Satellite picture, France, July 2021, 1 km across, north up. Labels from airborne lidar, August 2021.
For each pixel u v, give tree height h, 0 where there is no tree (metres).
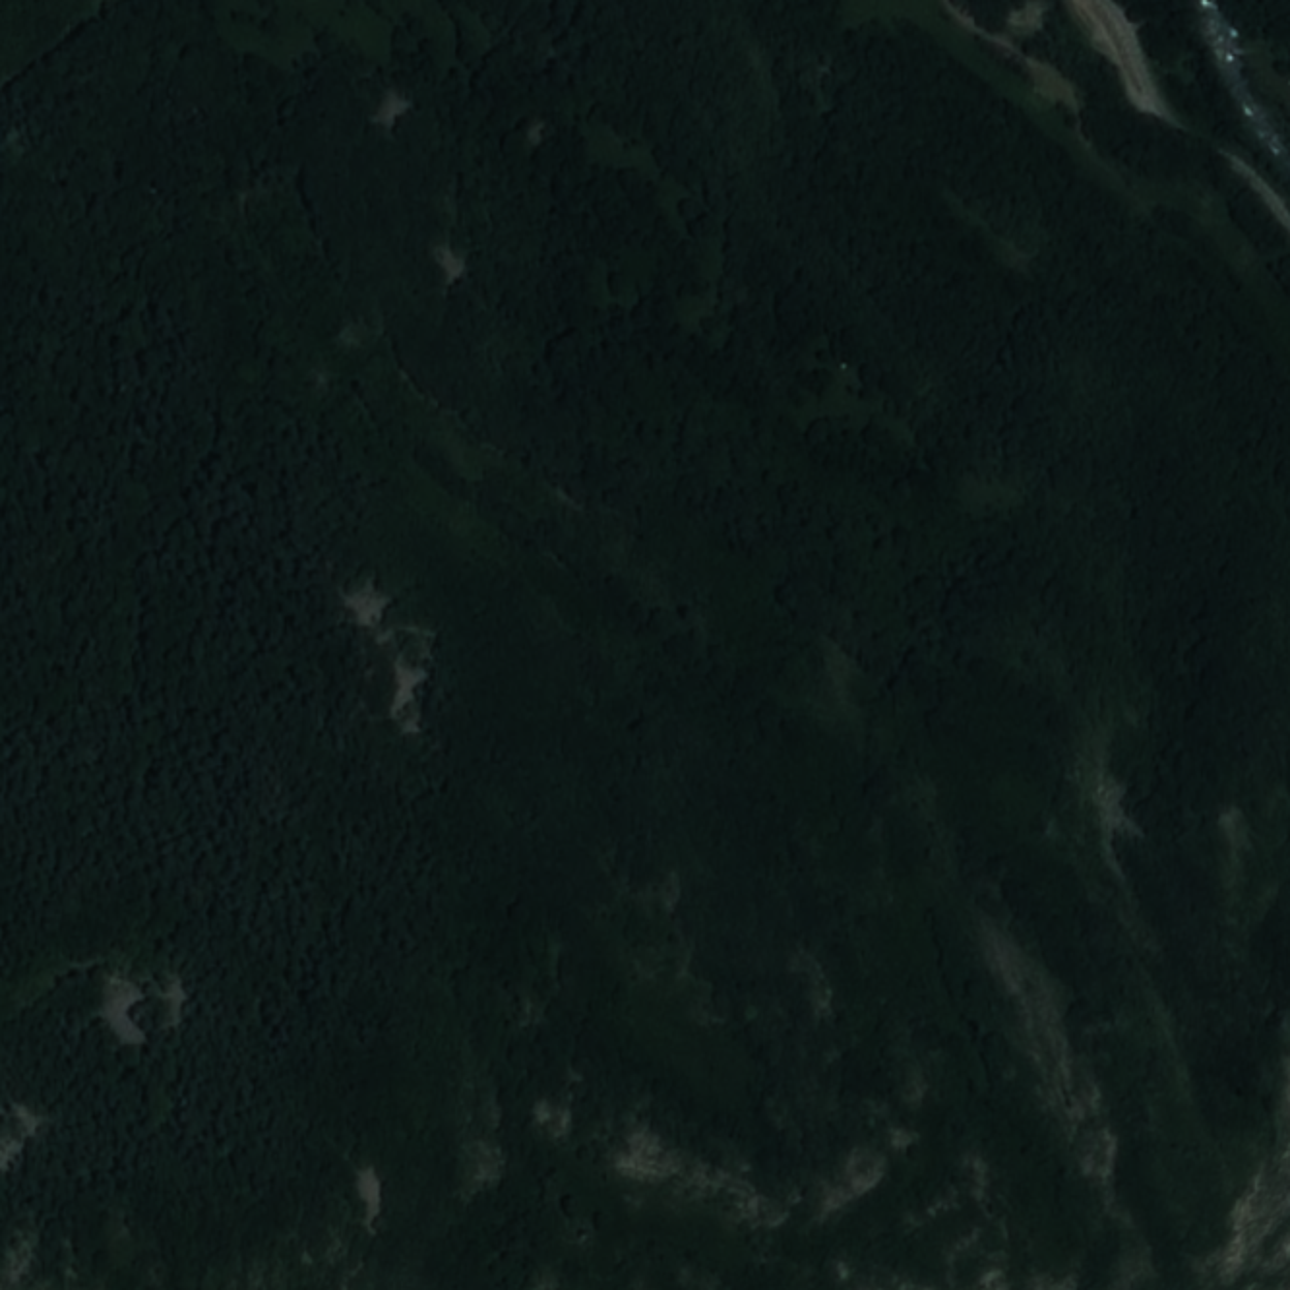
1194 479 14
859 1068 18
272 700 21
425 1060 18
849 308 16
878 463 10
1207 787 23
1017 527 6
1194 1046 13
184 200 26
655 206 14
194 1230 8
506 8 22
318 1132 16
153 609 34
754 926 15
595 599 8
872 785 15
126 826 21
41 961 9
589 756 20
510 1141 14
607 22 31
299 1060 21
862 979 6
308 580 24
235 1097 15
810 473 9
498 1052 10
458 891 21
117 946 16
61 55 29
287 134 28
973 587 17
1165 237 12
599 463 26
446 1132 14
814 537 16
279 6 9
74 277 26
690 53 16
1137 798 12
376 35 0
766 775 8
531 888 20
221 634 19
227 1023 28
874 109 15
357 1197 10
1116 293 18
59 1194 19
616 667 21
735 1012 10
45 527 30
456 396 20
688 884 10
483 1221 12
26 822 27
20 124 27
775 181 22
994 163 10
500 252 17
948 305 20
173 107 24
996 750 7
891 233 10
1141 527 26
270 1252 8
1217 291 16
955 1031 12
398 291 15
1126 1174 11
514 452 17
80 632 21
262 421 30
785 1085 11
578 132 12
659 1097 8
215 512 26
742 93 16
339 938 16
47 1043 22
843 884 8
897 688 24
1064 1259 0
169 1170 14
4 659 21
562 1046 15
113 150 25
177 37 22
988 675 19
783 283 20
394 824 21
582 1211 14
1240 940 16
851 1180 0
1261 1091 32
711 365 26
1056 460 15
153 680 25
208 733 22
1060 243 12
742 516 15
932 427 16
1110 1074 6
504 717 23
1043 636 16
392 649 14
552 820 14
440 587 24
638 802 15
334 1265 7
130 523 25
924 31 13
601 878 9
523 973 6
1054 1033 0
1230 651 22
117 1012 0
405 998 13
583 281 18
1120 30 0
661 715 21
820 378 15
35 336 31
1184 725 15
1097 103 14
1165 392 14
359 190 24
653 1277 0
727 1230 0
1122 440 14
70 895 26
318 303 8
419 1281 11
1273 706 19
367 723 15
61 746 32
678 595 7
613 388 24
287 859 26
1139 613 23
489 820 23
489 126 11
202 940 21
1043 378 13
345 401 15
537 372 24
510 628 25
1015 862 8
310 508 27
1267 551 8
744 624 7
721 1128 8
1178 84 16
